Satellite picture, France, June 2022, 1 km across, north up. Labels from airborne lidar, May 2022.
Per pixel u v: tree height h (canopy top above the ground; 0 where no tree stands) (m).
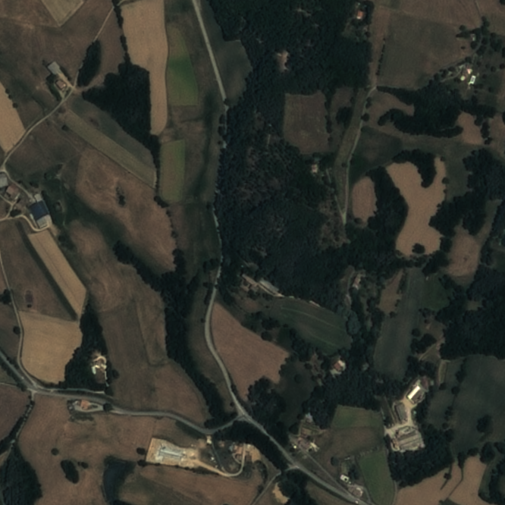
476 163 25
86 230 0
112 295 0
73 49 0
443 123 18
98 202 0
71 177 0
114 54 0
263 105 17
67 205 0
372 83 0
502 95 0
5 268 0
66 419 0
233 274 11
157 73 0
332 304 24
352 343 7
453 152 0
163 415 0
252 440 31
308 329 0
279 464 27
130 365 0
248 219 24
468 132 0
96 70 10
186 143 0
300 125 0
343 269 21
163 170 0
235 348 0
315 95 0
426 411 16
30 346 0
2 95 0
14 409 0
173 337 22
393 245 17
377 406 19
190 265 0
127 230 0
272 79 25
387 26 0
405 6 0
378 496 0
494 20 0
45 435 0
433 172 20
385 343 0
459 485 0
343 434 0
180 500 0
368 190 0
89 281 0
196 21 0
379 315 14
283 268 20
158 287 25
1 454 9
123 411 0
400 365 0
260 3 19
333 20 19
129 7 0
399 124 18
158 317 0
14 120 0
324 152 0
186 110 0
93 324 10
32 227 0
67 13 0
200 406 0
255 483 0
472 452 18
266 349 0
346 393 16
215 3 24
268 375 0
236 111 14
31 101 0
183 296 27
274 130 9
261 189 18
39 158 0
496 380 0
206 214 0
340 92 0
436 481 0
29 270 0
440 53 0
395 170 0
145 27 0
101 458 0
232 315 0
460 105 18
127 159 0
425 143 0
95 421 0
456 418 0
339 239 10
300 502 18
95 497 0
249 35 16
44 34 0
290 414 0
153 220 0
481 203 21
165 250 0
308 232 20
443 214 17
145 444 0
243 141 24
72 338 0
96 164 0
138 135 12
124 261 24
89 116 0
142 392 0
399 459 19
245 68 0
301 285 18
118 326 0
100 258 0
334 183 11
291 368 0
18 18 0
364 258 20
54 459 0
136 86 14
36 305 0
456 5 0
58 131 0
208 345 0
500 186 14
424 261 19
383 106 0
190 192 0
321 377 7
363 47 28
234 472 0
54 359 0
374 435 0
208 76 0
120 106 14
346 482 0
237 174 24
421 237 0
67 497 0
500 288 26
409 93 14
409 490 0
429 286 0
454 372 0
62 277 0
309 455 0
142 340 0
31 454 0
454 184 0
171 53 0
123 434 0
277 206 27
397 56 0
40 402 0
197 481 0
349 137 0
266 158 12
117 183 0
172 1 0
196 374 23
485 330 23
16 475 15
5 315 0
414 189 0
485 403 0
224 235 21
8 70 0
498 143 0
